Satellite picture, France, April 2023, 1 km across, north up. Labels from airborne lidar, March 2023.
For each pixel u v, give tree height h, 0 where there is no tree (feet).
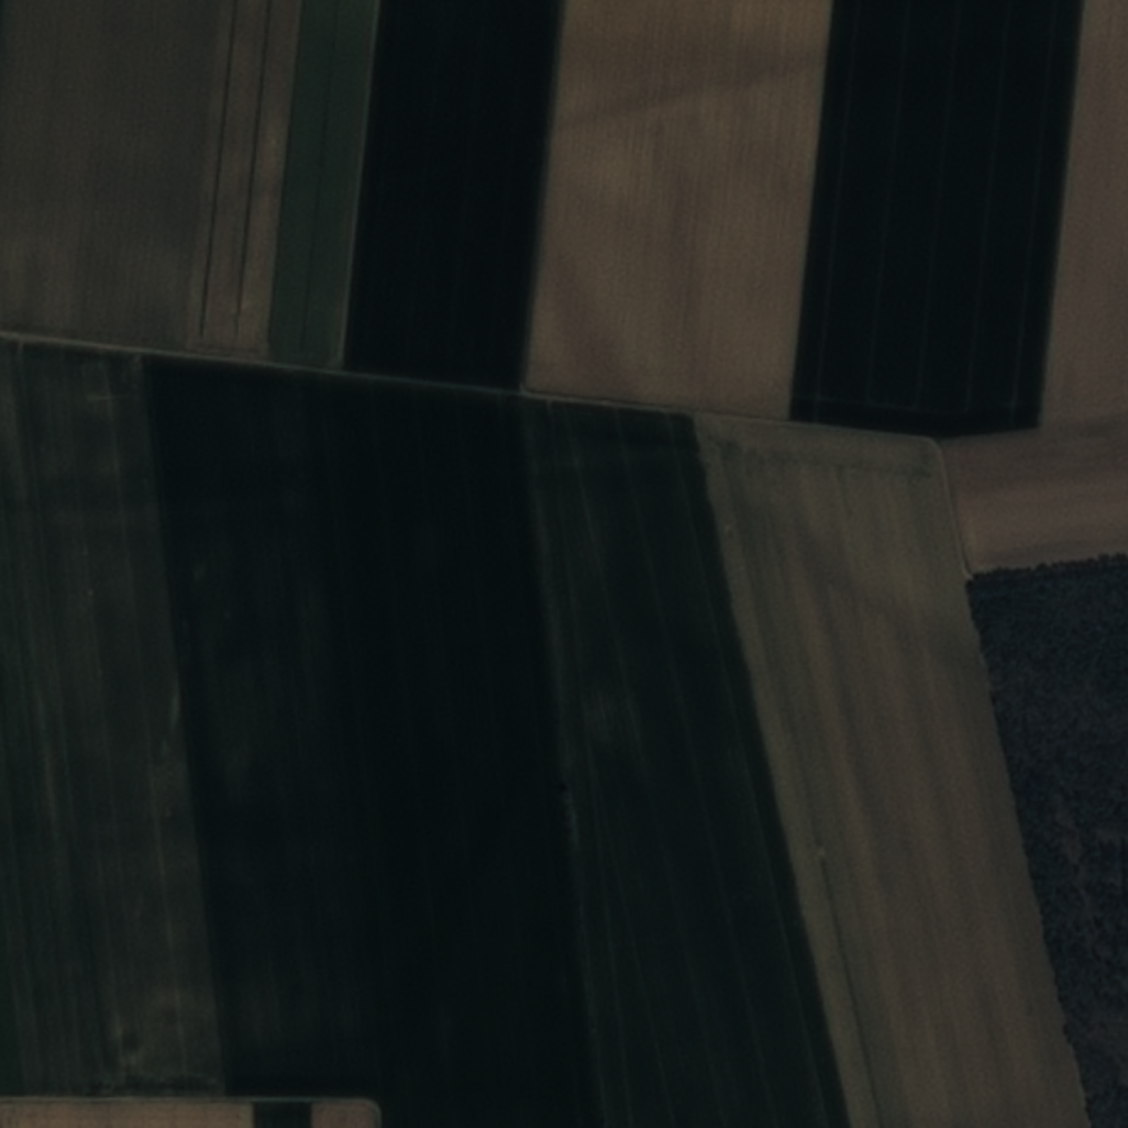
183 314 0
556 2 0
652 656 0
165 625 0
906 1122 0
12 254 0
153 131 0
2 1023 0
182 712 0
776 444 0
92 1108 0
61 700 0
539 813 0
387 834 0
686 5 0
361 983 0
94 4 0
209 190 0
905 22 0
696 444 0
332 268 0
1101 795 51
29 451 0
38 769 0
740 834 0
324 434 0
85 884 0
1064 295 0
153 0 0
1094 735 57
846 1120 0
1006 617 43
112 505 0
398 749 0
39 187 0
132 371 0
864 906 0
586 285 0
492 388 0
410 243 0
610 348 0
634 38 0
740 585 0
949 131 0
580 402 0
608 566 0
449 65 0
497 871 0
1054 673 52
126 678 0
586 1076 0
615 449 0
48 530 0
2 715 0
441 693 0
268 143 0
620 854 0
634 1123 0
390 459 0
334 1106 0
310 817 0
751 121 0
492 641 0
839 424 0
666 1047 0
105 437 0
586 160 0
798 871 0
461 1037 0
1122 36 0
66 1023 0
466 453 0
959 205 0
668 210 0
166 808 0
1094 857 52
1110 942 52
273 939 0
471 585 0
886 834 0
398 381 0
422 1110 0
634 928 0
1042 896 41
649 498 0
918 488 0
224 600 0
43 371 0
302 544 0
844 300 0
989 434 0
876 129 0
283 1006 0
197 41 0
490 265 0
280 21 0
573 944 0
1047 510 0
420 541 0
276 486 0
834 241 0
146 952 0
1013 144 0
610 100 0
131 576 0
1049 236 0
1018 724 57
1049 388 0
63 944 0
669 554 0
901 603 0
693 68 0
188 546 0
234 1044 0
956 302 0
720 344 0
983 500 0
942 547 0
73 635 0
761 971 0
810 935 0
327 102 0
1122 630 44
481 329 0
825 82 0
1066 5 0
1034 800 46
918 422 0
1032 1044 0
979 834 0
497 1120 0
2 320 0
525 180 0
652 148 0
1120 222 0
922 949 0
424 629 0
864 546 0
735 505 0
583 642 0
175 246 0
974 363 0
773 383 0
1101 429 0
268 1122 0
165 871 0
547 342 0
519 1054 0
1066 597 39
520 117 0
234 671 0
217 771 0
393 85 0
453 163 0
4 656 0
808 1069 0
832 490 0
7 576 0
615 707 0
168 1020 0
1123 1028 0
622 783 0
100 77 0
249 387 0
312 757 0
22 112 0
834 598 0
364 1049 0
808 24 0
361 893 0
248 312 0
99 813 0
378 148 0
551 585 0
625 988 0
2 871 0
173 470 0
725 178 0
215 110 0
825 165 0
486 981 0
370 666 0
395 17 0
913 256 0
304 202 0
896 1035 0
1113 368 0
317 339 0
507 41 0
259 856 0
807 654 0
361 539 0
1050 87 0
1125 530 0
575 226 0
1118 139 0
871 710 0
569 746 0
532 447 0
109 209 0
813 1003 0
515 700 0
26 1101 0
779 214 0
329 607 0
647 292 0
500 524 0
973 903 0
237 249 0
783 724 0
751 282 0
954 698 0
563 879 0
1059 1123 0
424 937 0
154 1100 0
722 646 0
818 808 0
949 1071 0
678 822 0
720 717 0
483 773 0
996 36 0
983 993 0
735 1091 0
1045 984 0
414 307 0
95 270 0
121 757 0
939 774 0
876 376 0
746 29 0
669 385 0
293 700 0
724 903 0
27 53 0
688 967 0
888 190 0
